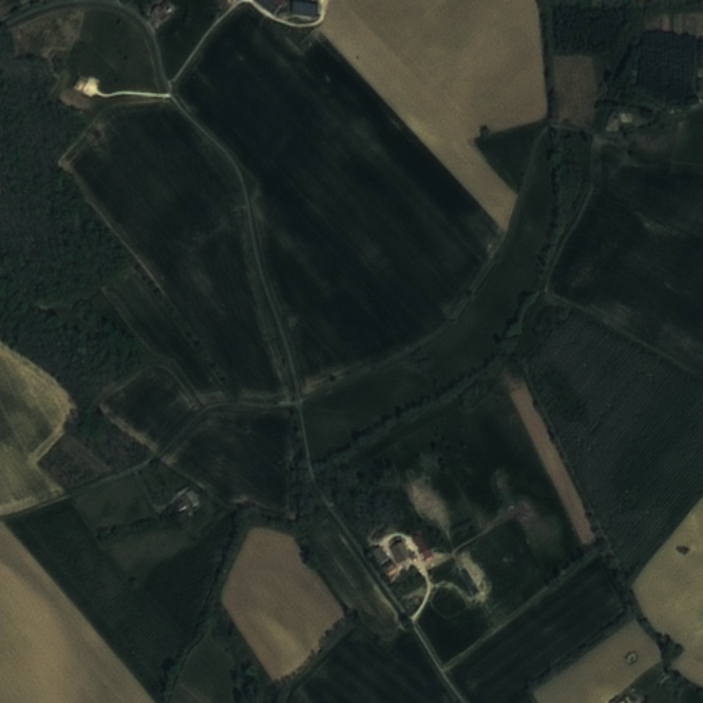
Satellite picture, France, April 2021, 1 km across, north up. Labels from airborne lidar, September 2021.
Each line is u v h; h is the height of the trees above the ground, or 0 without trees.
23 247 20
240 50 0
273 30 0
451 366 0
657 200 0
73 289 21
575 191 16
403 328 0
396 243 0
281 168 0
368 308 0
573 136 9
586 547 0
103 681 0
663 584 0
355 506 16
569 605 0
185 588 5
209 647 0
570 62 0
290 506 0
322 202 0
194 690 0
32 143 20
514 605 0
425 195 0
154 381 0
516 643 0
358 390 0
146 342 0
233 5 0
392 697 0
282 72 0
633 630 0
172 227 0
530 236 0
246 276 0
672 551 0
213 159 0
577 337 5
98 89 0
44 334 20
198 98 0
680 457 6
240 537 15
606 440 7
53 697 0
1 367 0
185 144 0
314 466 19
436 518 0
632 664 0
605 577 0
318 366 0
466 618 0
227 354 0
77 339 24
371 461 0
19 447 0
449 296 0
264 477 0
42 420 0
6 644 0
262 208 0
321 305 0
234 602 0
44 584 0
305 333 0
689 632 0
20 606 0
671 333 0
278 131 0
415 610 0
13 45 19
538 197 0
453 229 0
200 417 0
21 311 24
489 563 0
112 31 0
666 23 0
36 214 22
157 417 0
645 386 5
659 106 8
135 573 0
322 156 0
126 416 0
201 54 0
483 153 0
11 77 19
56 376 15
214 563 5
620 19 19
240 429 0
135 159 0
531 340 0
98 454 9
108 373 16
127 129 0
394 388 0
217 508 7
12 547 0
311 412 0
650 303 0
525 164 0
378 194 0
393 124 0
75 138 16
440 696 0
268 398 0
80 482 9
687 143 0
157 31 7
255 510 20
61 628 0
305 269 0
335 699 0
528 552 0
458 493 0
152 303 0
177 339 0
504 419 0
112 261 27
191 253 0
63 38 0
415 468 0
